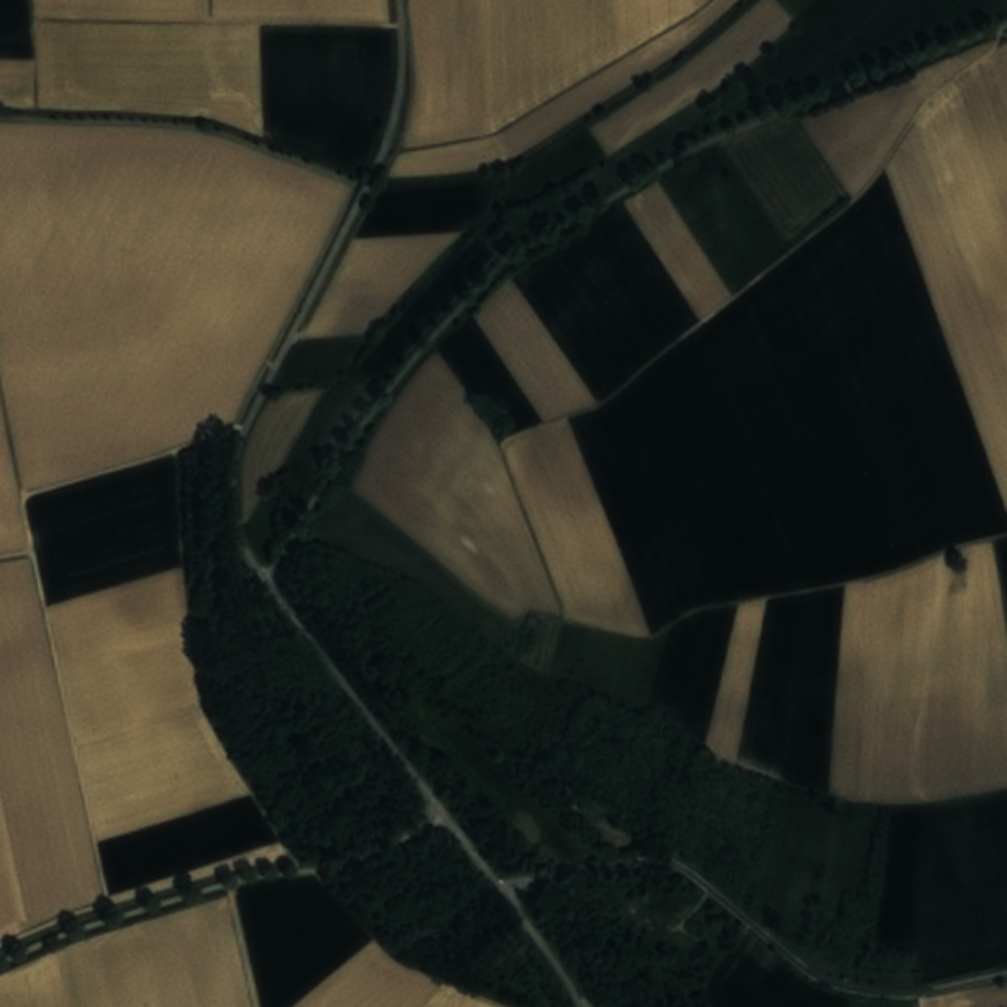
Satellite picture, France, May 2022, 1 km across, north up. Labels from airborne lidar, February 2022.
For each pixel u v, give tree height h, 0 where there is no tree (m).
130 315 0
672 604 0
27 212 0
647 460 0
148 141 0
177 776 0
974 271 0
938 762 0
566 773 26
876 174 0
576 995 0
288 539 0
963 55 0
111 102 0
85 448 0
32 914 0
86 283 0
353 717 18
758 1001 0
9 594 0
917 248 0
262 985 0
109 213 0
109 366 0
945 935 0
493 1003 0
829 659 0
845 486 0
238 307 0
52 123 0
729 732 0
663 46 0
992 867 0
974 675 0
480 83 0
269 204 0
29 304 0
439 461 0
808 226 0
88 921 0
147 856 0
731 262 0
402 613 0
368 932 0
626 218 0
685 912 0
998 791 0
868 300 0
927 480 0
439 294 0
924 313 0
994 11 0
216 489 29
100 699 0
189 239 0
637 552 0
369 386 0
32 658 0
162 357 0
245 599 30
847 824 0
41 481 0
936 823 0
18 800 0
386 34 0
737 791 18
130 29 0
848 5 0
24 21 0
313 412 0
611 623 0
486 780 0
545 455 0
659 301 0
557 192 16
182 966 0
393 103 0
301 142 0
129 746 0
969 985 0
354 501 0
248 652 21
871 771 0
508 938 30
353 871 32
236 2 0
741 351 0
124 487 0
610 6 0
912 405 0
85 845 0
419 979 0
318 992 0
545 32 0
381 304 0
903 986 0
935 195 0
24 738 0
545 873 15
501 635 0
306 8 0
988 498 0
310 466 0
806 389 0
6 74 0
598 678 0
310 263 0
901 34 0
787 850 0
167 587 0
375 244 0
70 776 0
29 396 0
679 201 0
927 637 0
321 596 23
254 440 0
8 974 0
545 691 0
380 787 17
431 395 0
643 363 0
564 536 0
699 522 0
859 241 0
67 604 0
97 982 0
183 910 0
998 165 0
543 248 14
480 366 0
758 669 0
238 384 0
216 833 0
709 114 17
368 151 0
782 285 0
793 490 0
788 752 0
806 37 0
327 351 0
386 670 25
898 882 0
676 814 20
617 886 18
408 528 0
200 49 0
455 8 0
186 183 0
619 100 0
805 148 0
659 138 0
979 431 0
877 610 0
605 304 0
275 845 0
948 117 0
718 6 0
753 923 0
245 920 0
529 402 0
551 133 0
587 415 0
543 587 0
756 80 24
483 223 0
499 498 0
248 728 18
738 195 0
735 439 0
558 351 0
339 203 0
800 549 0
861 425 0
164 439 0
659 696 0
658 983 0
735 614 0
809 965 0
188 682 0
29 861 0
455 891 18
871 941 18
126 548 0
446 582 0
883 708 0
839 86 0
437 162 0
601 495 0
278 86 0
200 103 0
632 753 16
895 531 0
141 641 0
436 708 17
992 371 0
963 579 0
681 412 0
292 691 19
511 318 0
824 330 0
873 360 0
